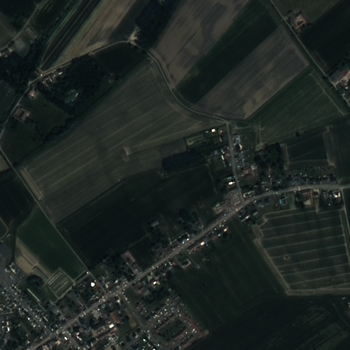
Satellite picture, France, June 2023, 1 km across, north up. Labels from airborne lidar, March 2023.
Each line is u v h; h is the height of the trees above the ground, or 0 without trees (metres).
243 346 0
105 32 0
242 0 0
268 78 0
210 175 0
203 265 0
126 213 0
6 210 0
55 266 0
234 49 0
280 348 0
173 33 0
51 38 0
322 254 0
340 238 0
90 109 0
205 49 0
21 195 0
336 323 0
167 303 0
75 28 0
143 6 0
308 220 0
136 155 0
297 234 0
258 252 0
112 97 0
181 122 0
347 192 0
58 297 0
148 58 0
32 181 0
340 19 0
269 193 0
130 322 0
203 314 0
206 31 0
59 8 0
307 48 0
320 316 0
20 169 0
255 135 0
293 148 0
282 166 9
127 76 0
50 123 0
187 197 0
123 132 0
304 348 0
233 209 0
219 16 0
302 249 0
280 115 0
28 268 0
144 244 0
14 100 0
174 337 0
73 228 0
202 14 0
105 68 0
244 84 0
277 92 0
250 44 0
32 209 0
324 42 0
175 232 0
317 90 0
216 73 0
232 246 0
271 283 0
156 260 0
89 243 0
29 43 0
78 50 0
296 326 0
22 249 0
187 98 0
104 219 0
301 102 0
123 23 0
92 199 0
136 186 0
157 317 0
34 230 0
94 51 0
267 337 0
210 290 0
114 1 0
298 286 0
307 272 0
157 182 0
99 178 0
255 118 0
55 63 0
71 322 0
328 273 0
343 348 0
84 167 0
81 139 0
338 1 0
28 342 0
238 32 0
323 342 0
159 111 0
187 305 0
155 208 0
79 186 0
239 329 0
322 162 0
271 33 0
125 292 0
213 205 0
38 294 0
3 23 0
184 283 0
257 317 0
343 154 0
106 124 0
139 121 0
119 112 0
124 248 0
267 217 0
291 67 0
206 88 0
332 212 0
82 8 0
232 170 0
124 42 0
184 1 0
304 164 0
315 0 0
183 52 0
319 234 0
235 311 0
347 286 0
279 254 0
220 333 0
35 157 0
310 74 0
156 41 0
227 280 0
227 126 0
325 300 0
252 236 0
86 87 15
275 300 0
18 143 0
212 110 0
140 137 0
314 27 0
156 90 0
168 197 0
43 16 0
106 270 0
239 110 0
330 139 0
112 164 0
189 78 0
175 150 0
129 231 0
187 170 0
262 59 0
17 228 0
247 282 0
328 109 0
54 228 0
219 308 0
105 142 0
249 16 0
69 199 0
